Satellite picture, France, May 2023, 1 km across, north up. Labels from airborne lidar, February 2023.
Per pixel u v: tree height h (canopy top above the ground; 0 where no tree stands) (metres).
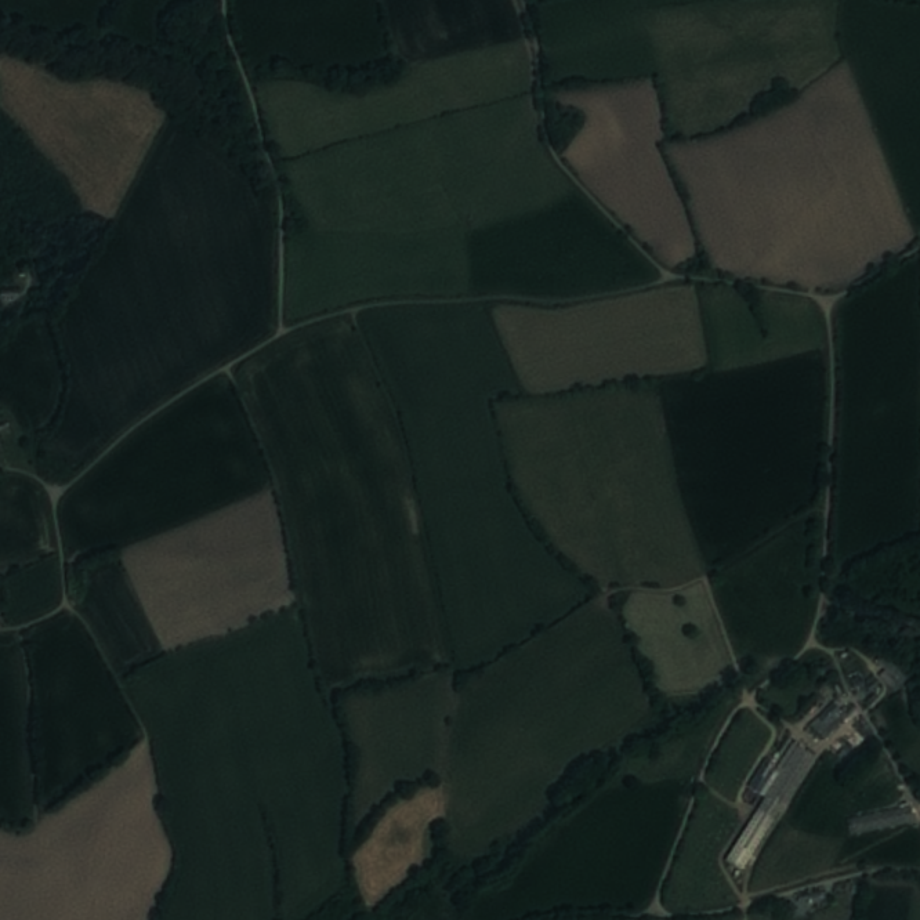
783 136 0
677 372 0
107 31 15
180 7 17
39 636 0
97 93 0
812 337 0
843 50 0
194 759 0
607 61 0
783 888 0
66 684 0
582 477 0
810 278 0
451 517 0
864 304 0
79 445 0
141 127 0
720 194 0
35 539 0
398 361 0
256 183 19
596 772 21
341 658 0
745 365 0
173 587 0
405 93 0
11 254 21
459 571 0
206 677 0
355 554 0
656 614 0
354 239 0
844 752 0
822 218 0
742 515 0
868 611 21
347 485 0
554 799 24
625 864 0
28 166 17
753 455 0
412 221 0
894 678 0
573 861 0
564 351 0
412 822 0
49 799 0
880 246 0
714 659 0
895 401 0
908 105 0
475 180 0
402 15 0
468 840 0
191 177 0
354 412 0
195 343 0
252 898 0
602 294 0
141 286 0
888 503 0
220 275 0
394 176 0
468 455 0
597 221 0
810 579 0
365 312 0
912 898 0
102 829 0
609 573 0
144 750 0
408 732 0
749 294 16
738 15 0
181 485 0
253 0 0
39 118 0
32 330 0
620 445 0
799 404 0
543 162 0
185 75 21
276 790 0
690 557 0
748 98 0
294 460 0
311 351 0
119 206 0
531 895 0
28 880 0
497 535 0
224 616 0
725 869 0
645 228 0
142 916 0
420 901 16
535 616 0
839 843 0
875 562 15
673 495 0
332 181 0
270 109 0
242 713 0
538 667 0
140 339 0
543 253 0
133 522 0
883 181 0
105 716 0
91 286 0
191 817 0
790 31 0
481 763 0
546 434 0
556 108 9
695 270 6
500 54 0
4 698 0
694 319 0
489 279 0
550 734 0
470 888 12
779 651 0
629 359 0
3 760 0
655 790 0
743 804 0
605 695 0
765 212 0
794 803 0
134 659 0
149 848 0
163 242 0
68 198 13
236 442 0
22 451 10
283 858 0
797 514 8
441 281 0
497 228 0
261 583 0
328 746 0
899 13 0
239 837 0
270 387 0
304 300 0
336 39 0
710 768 8
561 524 0
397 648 0
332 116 0
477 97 0
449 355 0
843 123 0
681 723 23
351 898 8
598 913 11
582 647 0
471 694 0
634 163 0
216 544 0
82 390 0
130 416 0
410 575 0
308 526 0
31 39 21
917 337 0
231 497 0
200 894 0
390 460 0
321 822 0
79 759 0
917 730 11
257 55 0
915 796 10
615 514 0
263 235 0
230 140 19
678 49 0
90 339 0
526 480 0
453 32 0
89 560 14
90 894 0
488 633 0
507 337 0
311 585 0
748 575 0
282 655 0
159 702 0
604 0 0
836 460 11
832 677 7
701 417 0
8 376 0
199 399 0
